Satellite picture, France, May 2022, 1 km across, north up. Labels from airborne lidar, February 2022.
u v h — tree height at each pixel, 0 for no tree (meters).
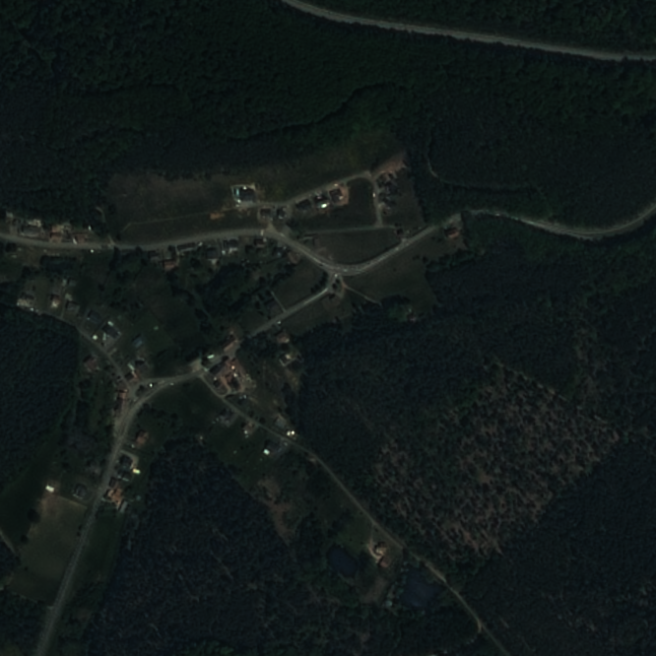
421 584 0
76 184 28
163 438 0
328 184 0
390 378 24
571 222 19
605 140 24
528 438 34
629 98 26
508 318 26
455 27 11
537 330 25
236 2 28
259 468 0
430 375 23
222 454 0
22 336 18
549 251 24
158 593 31
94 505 0
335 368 23
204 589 32
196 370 0
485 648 23
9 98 29
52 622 0
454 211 20
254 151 24
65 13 37
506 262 24
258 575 28
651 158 28
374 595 0
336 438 24
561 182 27
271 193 0
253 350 10
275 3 18
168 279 14
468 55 30
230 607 12
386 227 0
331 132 29
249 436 0
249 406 0
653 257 25
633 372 9
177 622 11
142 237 0
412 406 23
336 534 13
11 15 29
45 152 24
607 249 28
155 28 30
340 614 8
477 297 10
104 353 0
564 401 31
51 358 19
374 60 30
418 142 28
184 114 26
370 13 15
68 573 0
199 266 17
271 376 0
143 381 0
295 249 0
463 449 28
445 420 24
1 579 13
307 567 26
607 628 23
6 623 17
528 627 20
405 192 0
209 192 0
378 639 9
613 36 15
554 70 27
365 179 0
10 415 19
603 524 21
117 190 0
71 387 13
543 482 26
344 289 0
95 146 23
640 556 22
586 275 25
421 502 27
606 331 12
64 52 29
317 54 30
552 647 20
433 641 18
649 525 19
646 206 19
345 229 0
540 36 18
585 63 19
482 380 22
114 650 28
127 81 20
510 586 19
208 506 22
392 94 33
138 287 0
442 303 19
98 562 0
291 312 0
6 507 0
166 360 0
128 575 28
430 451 18
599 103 27
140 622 13
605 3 34
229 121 27
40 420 20
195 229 0
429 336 27
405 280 0
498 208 20
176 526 10
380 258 0
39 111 26
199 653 28
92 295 0
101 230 26
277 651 25
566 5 30
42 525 0
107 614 29
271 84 28
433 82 26
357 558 0
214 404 0
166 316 0
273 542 24
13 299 6
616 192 25
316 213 0
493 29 14
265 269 0
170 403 0
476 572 19
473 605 20
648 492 23
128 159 24
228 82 28
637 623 28
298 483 0
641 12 30
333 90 31
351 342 27
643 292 12
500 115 23
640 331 11
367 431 20
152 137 24
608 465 19
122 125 26
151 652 25
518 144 27
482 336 27
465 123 27
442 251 0
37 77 27
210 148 23
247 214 0
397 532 23
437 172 23
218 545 27
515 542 26
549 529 22
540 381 29
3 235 0
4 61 29
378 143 0
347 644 11
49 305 0
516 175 24
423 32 0
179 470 10
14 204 29
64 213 24
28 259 0
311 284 0
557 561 19
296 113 27
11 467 24
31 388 17
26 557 0
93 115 23
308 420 20
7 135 28
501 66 29
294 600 12
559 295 20
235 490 33
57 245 0
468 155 23
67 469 15
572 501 22
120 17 31
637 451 22
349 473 25
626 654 9
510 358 25
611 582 25
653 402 9
